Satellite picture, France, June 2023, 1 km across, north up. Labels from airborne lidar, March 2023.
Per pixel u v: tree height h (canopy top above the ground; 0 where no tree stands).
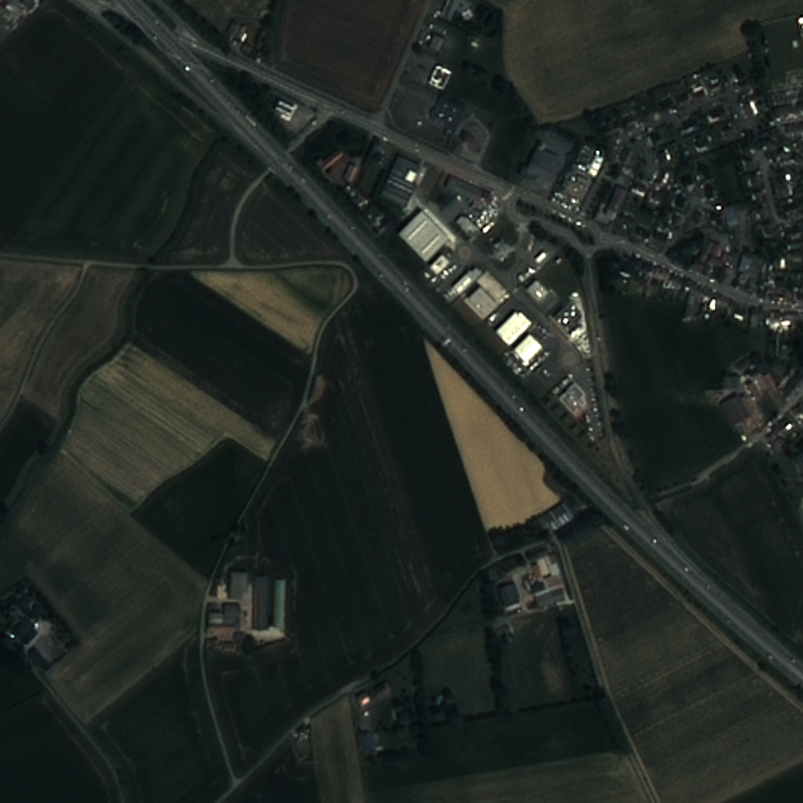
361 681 0
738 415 0
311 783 0
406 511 0
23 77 0
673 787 0
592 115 9
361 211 8
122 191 0
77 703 0
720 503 0
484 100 0
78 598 0
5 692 0
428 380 0
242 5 0
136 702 0
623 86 0
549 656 0
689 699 0
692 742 0
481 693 0
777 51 0
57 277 0
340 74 0
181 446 0
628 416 0
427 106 0
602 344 0
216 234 0
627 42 0
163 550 0
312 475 0
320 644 0
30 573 0
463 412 0
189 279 0
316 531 0
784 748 0
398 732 12
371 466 0
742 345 0
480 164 0
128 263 0
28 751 0
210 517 0
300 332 0
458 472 0
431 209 0
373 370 0
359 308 0
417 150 0
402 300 0
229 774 0
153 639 0
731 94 0
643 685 0
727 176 0
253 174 0
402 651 0
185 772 0
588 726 0
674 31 0
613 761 0
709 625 0
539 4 0
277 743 0
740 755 0
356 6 0
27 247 0
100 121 0
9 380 0
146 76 0
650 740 0
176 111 0
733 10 0
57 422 0
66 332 0
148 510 0
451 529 0
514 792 0
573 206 0
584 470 0
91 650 0
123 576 0
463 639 0
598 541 0
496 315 0
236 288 0
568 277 0
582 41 0
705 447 0
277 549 0
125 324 0
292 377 0
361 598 0
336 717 0
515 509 0
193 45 0
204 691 0
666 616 0
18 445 0
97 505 0
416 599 0
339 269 0
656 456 0
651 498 0
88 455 0
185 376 0
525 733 0
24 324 0
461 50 0
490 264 0
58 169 0
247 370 0
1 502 0
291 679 0
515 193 0
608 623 0
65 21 0
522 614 0
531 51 0
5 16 0
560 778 0
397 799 0
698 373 0
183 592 0
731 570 0
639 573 0
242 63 0
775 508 0
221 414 0
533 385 0
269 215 0
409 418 0
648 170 0
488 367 0
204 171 0
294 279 0
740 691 0
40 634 0
